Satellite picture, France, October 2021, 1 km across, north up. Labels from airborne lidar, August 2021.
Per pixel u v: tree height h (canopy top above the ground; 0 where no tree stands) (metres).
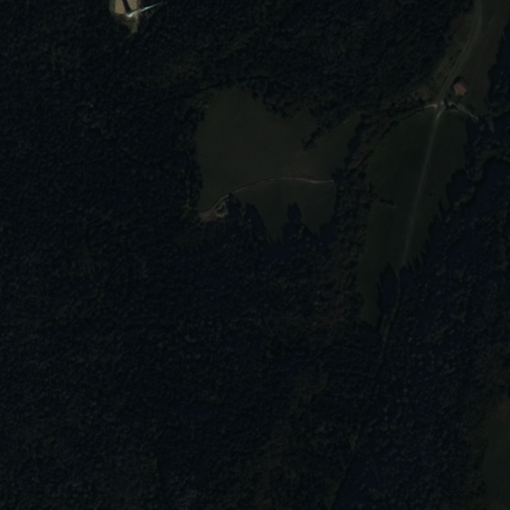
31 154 24
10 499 19
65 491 20
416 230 0
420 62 15
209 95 17
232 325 20
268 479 31
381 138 13
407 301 9
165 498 18
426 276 6
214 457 26
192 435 19
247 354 23
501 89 18
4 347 16
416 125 0
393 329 11
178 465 16
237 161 0
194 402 9
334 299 28
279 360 18
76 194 28
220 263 15
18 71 22
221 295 22
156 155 28
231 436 20
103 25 13
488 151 19
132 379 20
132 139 27
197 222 18
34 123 29
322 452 22
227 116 0
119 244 8
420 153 0
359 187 31
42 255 24
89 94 7
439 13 34
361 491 12
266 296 26
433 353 11
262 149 0
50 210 15
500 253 26
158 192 28
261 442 6
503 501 0
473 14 0
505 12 0
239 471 15
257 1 7
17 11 12
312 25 26
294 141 0
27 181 26
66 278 9
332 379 17
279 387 27
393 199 0
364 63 25
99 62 11
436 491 20
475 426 23
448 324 14
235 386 22
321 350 21
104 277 33
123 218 29
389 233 0
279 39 17
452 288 14
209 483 16
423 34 32
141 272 28
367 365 36
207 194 0
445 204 0
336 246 26
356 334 20
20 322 18
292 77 23
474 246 28
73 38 6
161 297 16
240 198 0
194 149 5
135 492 16
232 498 15
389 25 29
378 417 7
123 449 16
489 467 0
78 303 22
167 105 29
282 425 24
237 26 15
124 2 0
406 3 29
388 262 0
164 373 19
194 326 22
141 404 29
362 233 17
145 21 10
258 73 26
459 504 28
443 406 18
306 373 28
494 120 0
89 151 30
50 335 21
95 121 26
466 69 0
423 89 0
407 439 17
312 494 9
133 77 17
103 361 22
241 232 23
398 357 7
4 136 19
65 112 30
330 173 0
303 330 18
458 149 0
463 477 28
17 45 15
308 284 22
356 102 27
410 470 16
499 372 20
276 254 0
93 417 28
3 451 16
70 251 26
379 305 0
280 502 22
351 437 16
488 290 26
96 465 20
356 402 29
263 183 0
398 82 31
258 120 0
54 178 27
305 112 0
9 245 25
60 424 19
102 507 16
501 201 26
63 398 12
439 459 21
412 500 17
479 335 23
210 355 19
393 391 11
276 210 0
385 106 14
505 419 0
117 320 20
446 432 27
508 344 25
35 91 36
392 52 24
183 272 27
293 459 31
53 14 18
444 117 0
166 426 17
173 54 15
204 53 18
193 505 17
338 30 24
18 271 21
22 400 18
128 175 21
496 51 0
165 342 22
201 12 9
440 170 0
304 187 0
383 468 23
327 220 0
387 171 0
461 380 8
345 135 0
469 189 27
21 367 13
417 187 0
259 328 22
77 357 26
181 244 7
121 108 21
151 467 21
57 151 33
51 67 25
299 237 25
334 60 19
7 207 18
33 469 19
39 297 17
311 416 19
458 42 0
